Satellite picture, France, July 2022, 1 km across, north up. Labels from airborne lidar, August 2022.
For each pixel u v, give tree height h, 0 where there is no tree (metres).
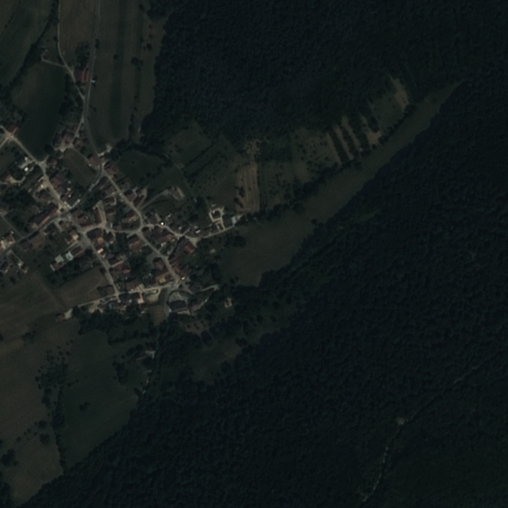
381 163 0
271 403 19
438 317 28
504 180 11
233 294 16
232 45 24
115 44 0
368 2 22
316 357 27
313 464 11
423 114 0
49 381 8
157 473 23
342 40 22
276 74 15
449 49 25
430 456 15
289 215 0
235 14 28
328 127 22
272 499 12
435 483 20
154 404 21
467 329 23
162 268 0
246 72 21
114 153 13
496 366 18
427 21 20
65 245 0
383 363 24
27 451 0
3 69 0
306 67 24
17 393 0
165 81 21
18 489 0
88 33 0
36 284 0
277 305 15
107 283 0
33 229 0
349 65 22
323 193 0
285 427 5
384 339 26
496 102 25
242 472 10
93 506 27
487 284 23
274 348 26
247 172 0
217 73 17
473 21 18
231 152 0
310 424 22
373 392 25
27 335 6
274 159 6
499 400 17
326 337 23
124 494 31
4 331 0
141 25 0
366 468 14
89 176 0
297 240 0
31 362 0
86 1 0
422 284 24
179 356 9
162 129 17
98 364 0
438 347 20
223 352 0
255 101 20
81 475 7
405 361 21
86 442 0
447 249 23
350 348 26
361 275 30
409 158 25
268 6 22
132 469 28
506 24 18
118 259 0
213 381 0
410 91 8
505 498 18
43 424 15
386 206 22
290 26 17
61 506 6
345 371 24
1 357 0
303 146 7
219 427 24
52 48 0
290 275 14
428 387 19
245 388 30
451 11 19
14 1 0
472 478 18
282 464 13
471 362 15
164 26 0
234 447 21
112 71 0
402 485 22
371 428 14
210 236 0
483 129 13
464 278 17
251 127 24
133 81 0
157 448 18
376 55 18
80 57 8
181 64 26
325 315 29
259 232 0
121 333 0
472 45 13
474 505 10
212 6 27
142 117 0
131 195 0
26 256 0
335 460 11
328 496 16
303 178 0
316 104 17
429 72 13
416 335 20
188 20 29
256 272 0
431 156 27
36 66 0
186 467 13
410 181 29
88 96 0
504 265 23
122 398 0
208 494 24
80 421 0
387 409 15
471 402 19
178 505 27
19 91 0
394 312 27
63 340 0
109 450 10
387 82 20
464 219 11
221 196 0
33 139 0
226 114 25
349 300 28
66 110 16
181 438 20
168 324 16
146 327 0
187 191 0
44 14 0
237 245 8
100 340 0
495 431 14
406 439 15
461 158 19
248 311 12
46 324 0
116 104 0
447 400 15
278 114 23
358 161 7
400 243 23
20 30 0
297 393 14
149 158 0
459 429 18
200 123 16
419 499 23
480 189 22
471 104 24
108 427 0
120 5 0
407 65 6
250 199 0
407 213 26
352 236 6
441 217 16
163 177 0
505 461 22
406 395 21
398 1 22
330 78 17
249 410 10
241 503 11
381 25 24
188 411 12
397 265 34
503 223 19
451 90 0
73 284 0
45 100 0
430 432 15
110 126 0
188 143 0
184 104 14
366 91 17
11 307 0
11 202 9
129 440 23
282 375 29
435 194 30
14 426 0
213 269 14
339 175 20
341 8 21
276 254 0
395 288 29
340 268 14
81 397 0
